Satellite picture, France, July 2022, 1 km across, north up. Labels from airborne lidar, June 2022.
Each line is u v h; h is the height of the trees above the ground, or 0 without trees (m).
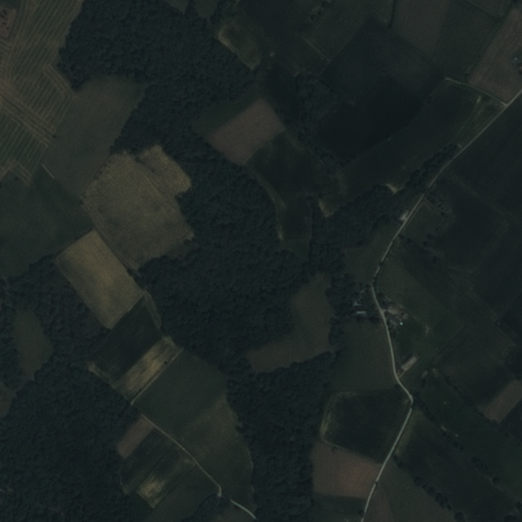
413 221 0
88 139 0
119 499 18
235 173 23
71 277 0
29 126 0
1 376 20
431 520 0
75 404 19
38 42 0
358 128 0
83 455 27
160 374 0
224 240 23
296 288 18
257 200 18
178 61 25
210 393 0
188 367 0
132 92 0
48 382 24
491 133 0
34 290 14
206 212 20
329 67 0
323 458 0
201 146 26
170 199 0
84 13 13
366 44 0
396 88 0
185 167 17
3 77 0
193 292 27
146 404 0
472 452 0
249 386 26
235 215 27
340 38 0
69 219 0
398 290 0
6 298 21
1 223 0
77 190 0
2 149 0
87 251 0
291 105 0
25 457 13
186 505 0
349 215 25
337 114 0
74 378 24
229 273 20
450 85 0
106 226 0
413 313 0
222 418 0
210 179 23
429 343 0
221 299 25
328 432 0
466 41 0
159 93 21
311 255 17
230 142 0
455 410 0
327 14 0
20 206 0
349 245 22
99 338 12
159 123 20
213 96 8
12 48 0
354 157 15
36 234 0
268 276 17
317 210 16
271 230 25
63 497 19
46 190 0
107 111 0
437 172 20
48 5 0
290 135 0
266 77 0
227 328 23
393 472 0
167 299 21
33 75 0
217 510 21
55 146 0
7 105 0
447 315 0
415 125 0
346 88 0
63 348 22
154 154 0
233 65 25
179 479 0
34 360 0
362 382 0
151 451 0
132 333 0
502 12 0
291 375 26
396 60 0
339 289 19
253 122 0
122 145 11
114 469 19
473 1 0
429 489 8
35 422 23
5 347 28
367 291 8
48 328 8
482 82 0
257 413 28
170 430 0
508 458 0
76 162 0
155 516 0
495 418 0
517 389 0
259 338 21
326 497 0
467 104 0
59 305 13
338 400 0
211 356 24
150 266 18
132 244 0
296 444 22
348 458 0
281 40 0
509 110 0
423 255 6
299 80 15
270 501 29
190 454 0
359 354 0
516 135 0
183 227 0
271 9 0
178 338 21
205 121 0
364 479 0
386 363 0
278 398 29
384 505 0
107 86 0
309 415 28
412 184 12
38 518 24
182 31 21
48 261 13
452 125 0
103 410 18
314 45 0
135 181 0
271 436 26
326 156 25
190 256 13
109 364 0
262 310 28
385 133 0
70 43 18
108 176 0
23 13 0
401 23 0
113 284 0
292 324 18
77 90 8
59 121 0
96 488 22
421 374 0
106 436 21
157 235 0
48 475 16
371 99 0
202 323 27
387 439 0
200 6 0
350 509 0
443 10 0
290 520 21
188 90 23
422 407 16
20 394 18
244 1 0
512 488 0
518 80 0
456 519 13
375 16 0
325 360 26
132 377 0
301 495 27
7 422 19
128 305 0
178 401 0
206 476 0
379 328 0
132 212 0
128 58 22
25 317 0
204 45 25
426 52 0
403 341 0
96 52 26
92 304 0
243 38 0
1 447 15
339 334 15
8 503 22
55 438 18
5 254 0
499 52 0
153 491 0
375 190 17
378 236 0
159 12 21
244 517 0
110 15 20
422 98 0
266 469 25
